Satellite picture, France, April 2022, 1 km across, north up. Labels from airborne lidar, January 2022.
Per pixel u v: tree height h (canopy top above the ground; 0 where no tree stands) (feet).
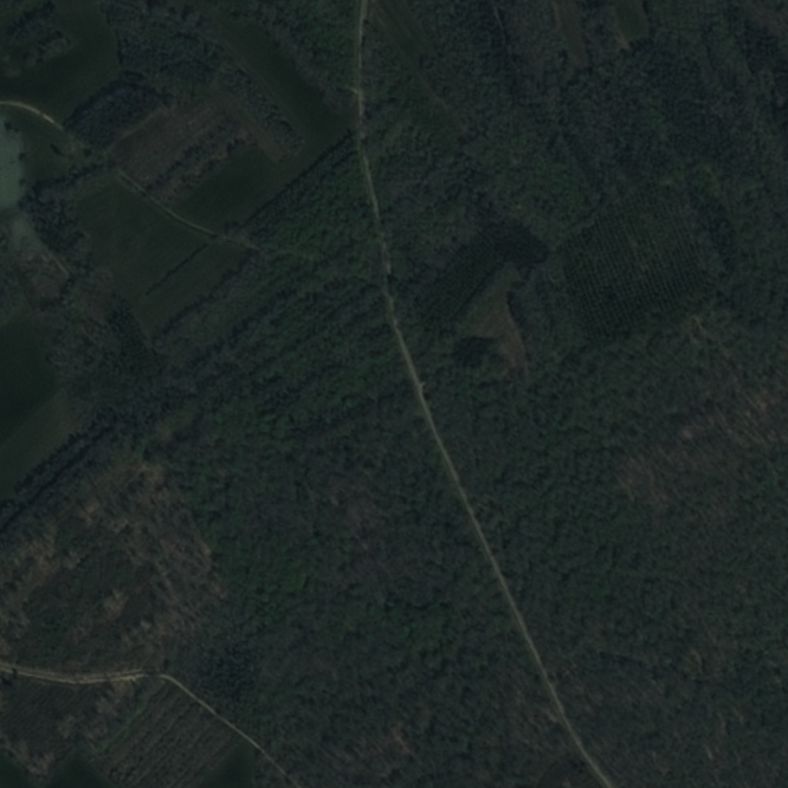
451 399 96
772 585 86
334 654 88
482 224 40
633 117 77
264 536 99
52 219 72
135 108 82
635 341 91
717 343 95
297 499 85
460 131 0
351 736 92
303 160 0
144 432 80
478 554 91
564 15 0
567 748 94
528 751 85
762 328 94
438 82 66
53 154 0
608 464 89
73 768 0
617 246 0
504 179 86
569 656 91
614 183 77
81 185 63
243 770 0
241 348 88
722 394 35
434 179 80
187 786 27
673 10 66
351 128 0
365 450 93
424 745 99
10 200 0
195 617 88
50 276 0
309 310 42
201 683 73
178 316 0
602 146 87
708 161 78
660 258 0
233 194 0
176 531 87
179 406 79
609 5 64
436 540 0
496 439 96
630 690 99
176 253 0
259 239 56
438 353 72
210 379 88
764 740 98
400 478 95
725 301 94
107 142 79
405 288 58
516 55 79
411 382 65
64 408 0
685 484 86
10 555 88
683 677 91
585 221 72
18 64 0
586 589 91
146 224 0
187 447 86
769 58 82
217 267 0
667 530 81
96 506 0
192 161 68
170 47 52
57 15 80
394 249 55
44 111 0
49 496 75
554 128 75
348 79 53
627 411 91
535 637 76
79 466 76
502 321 0
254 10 28
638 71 61
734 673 83
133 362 0
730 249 77
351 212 48
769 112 83
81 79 0
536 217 87
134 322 0
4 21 0
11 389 0
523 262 41
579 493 97
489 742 97
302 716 88
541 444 94
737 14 70
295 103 0
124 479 0
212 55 65
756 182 66
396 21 0
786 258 85
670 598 91
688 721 102
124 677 0
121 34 53
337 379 70
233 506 83
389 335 72
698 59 81
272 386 55
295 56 63
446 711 89
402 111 70
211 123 0
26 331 0
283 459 86
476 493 84
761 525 87
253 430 86
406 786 100
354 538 89
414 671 96
